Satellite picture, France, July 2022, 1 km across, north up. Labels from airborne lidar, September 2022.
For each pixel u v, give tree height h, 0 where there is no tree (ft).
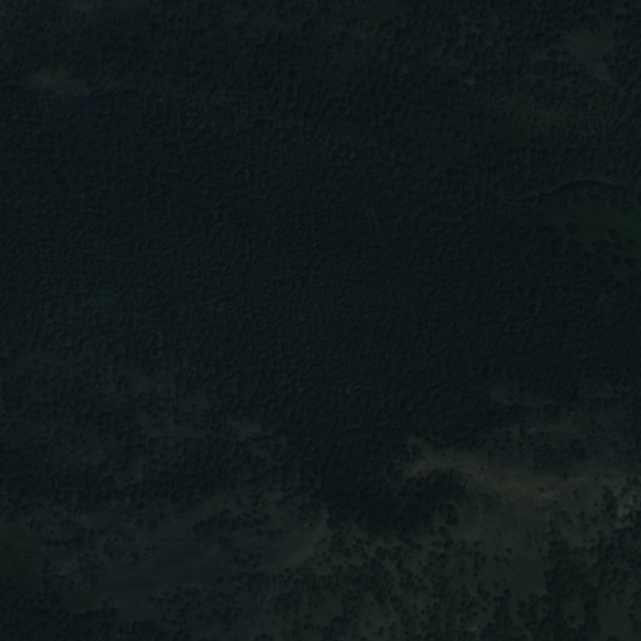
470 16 53
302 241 88
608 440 27
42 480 58
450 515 37
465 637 44
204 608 48
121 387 52
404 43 74
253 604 0
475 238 97
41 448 20
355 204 32
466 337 73
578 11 61
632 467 31
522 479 0
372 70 87
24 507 30
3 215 66
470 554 32
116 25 58
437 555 33
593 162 65
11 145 31
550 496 0
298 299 54
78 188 28
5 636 28
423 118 32
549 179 78
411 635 34
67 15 22
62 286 48
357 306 69
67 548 52
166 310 43
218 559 0
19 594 28
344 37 60
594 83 30
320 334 69
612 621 0
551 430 0
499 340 86
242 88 95
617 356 71
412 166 74
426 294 75
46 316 28
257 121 46
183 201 98
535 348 83
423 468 0
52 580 46
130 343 32
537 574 0
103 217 75
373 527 38
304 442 51
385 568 29
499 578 0
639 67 49
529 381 44
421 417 70
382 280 89
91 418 34
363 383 61
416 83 77
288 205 97
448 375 89
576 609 0
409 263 80
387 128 72
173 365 42
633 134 52
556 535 42
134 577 0
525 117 19
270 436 36
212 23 57
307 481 48
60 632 29
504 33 47
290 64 26
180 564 0
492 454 20
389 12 21
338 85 28
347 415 69
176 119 57
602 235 0
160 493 44
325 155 90
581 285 71
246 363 61
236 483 39
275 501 0
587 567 47
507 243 76
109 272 52
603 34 0
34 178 73
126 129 30
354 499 63
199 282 49
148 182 64
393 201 98
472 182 95
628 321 83
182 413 26
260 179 76
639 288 73
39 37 43
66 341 40
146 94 45
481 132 27
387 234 94
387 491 63
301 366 64
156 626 35
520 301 101
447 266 89
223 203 78
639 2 38
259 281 65
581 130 51
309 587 27
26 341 37
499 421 33
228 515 42
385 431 41
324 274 84
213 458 53
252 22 25
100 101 69
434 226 77
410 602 0
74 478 51
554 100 34
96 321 28
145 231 65
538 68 27
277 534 31
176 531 0
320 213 82
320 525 0
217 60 63
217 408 36
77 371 27
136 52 73
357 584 38
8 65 70
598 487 0
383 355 66
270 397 40
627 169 67
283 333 50
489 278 92
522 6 46
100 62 50
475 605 45
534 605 38
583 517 46
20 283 46
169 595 36
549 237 50
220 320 42
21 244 56
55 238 56
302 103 74
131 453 53
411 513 61
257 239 90
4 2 29
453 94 62
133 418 46
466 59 68
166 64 43
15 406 25
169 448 29
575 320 89
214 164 89
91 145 59
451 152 32
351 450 43
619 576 45
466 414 47
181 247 55
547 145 73
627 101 39
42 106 47
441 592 37
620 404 26
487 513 33
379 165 85
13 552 18
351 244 85
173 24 65
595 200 64
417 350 85
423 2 69
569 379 55
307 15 83
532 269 91
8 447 22
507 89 34
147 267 39
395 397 70
